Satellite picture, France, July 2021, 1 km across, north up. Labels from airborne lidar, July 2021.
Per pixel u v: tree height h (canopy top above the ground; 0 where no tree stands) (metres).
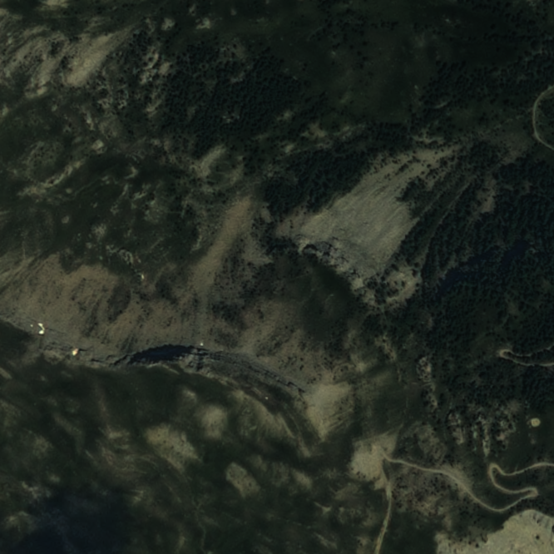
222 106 12
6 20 0
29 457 0
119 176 0
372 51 0
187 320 0
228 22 0
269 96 10
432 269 10
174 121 9
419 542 0
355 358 0
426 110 11
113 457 0
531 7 0
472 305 8
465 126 0
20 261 0
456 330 6
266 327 0
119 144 0
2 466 0
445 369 8
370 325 7
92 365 0
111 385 0
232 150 9
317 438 0
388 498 0
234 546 0
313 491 0
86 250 0
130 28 0
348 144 8
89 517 0
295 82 10
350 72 0
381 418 0
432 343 11
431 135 8
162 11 6
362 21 6
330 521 0
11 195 0
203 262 0
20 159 0
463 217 6
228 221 0
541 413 8
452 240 19
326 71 0
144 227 0
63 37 0
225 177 0
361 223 0
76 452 0
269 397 0
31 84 0
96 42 0
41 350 0
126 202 0
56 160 0
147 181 0
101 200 0
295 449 0
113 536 0
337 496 0
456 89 11
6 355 0
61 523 0
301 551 0
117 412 0
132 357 0
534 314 10
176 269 0
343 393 0
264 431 0
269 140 7
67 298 0
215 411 0
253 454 0
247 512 0
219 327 0
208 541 0
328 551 0
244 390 0
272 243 8
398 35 0
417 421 0
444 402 10
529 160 12
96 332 0
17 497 0
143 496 0
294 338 0
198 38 0
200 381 0
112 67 0
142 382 0
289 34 0
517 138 0
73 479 0
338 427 0
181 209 5
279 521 0
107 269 0
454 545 0
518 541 0
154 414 0
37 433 0
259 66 10
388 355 7
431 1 0
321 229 0
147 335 0
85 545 0
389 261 0
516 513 0
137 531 0
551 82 23
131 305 0
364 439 0
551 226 13
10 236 0
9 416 0
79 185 0
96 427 0
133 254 0
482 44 0
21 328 0
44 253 0
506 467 0
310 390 0
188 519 0
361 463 0
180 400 0
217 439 0
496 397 8
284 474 0
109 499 0
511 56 0
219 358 0
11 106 0
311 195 11
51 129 0
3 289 0
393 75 0
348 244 0
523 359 11
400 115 0
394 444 0
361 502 0
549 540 0
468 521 0
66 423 0
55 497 0
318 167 10
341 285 0
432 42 0
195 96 7
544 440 0
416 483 0
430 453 0
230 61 7
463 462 0
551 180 14
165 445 0
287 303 0
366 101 0
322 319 0
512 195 13
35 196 0
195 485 0
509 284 19
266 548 0
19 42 0
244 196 0
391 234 0
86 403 0
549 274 13
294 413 0
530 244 23
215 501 0
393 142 10
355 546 0
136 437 0
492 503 0
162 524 0
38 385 0
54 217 0
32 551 0
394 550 0
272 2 0
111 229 0
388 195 0
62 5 0
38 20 0
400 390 0
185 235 0
